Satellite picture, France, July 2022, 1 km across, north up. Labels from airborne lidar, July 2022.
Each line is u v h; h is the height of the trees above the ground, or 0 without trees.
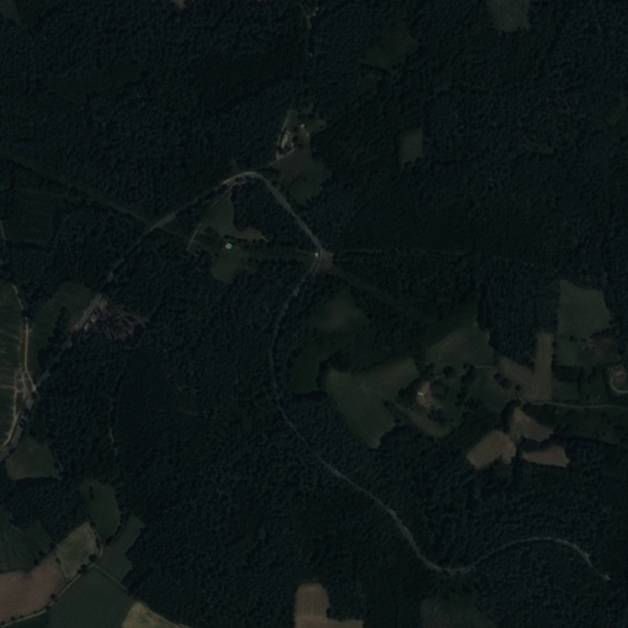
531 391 0
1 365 0
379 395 0
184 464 8
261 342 21
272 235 15
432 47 22
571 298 0
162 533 17
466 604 0
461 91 7
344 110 18
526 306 23
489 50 17
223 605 7
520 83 10
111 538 9
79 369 15
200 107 11
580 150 19
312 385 0
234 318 17
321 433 37
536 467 20
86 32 30
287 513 23
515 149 22
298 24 6
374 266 13
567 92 18
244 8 27
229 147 29
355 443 37
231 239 11
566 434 11
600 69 30
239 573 29
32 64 27
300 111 13
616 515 14
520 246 12
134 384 9
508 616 13
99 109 15
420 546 12
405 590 9
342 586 20
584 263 15
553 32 16
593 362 0
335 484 21
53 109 16
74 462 22
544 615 24
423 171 13
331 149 13
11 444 0
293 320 17
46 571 0
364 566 12
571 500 18
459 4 21
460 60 16
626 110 0
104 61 25
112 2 33
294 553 25
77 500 19
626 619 22
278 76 9
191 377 12
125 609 0
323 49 25
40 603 0
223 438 14
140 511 7
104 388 13
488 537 25
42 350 0
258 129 26
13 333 0
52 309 0
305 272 21
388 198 9
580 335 0
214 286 8
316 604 0
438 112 24
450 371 19
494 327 34
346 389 0
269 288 15
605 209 21
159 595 26
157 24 29
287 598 21
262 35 11
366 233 6
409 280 6
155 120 20
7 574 0
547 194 17
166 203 18
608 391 8
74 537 0
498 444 0
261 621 11
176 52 27
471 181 17
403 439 23
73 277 14
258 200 16
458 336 0
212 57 9
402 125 6
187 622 8
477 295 22
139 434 8
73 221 24
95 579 0
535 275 21
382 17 28
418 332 17
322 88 14
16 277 30
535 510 13
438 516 24
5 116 11
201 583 8
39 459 0
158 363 10
